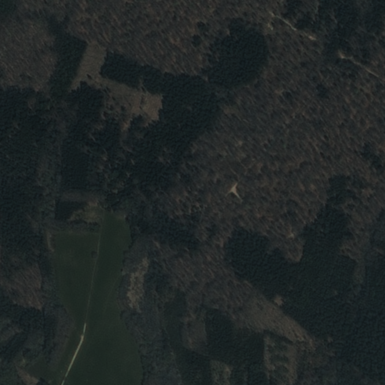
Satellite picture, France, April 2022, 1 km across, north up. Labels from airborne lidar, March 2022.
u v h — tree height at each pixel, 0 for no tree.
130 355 0
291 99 21
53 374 0
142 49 26
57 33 23
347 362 25
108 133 20
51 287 21
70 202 23
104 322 0
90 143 19
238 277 23
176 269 30
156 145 25
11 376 21
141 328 19
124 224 0
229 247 21
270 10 0
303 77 30
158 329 21
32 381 0
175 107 29
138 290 0
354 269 20
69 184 24
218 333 16
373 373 24
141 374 0
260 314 0
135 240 24
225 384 11
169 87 25
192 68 28
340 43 24
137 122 22
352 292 20
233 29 15
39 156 19
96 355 0
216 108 32
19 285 0
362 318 25
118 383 0
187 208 11
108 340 0
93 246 0
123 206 23
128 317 16
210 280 26
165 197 27
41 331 24
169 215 18
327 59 24
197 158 9
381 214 28
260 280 25
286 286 24
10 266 26
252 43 30
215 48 16
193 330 22
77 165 22
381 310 16
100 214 0
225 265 29
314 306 20
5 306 18
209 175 28
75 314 0
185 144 29
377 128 31
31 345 20
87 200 27
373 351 31
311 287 18
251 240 26
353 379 15
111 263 0
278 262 26
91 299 0
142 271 0
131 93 0
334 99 29
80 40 22
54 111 23
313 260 17
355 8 20
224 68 24
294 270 29
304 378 17
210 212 7
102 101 20
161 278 23
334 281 19
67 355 0
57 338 27
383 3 28
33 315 31
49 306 26
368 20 22
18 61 27
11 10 15
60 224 25
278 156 6
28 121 22
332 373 28
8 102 27
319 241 13
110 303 0
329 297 21
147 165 25
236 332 15
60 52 22
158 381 23
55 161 26
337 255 20
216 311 12
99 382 0
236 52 22
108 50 0
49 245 0
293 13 14
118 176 25
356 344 26
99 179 10
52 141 23
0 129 26
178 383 15
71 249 0
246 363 9
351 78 15
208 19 26
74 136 23
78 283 0
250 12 0
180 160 26
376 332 24
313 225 30
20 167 17
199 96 24
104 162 14
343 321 26
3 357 22
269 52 28
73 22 27
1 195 14
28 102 31
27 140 18
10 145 17
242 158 0
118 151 18
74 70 28
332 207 26
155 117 0
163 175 28
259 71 28
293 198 29
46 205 22
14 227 20
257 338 8
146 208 27
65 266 0
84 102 24
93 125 17
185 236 29
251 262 28
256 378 28
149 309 14
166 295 27
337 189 26
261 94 28
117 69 23
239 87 25
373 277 23
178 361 6
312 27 26
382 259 23
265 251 25
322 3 15
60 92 25
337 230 27
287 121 29
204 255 23
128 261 21
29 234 26
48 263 24
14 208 21
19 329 21
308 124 27
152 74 22
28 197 27
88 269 0
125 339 0
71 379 0
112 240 0
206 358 9
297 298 17
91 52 0
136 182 32
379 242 26
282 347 19
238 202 30
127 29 29
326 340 26
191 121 31
